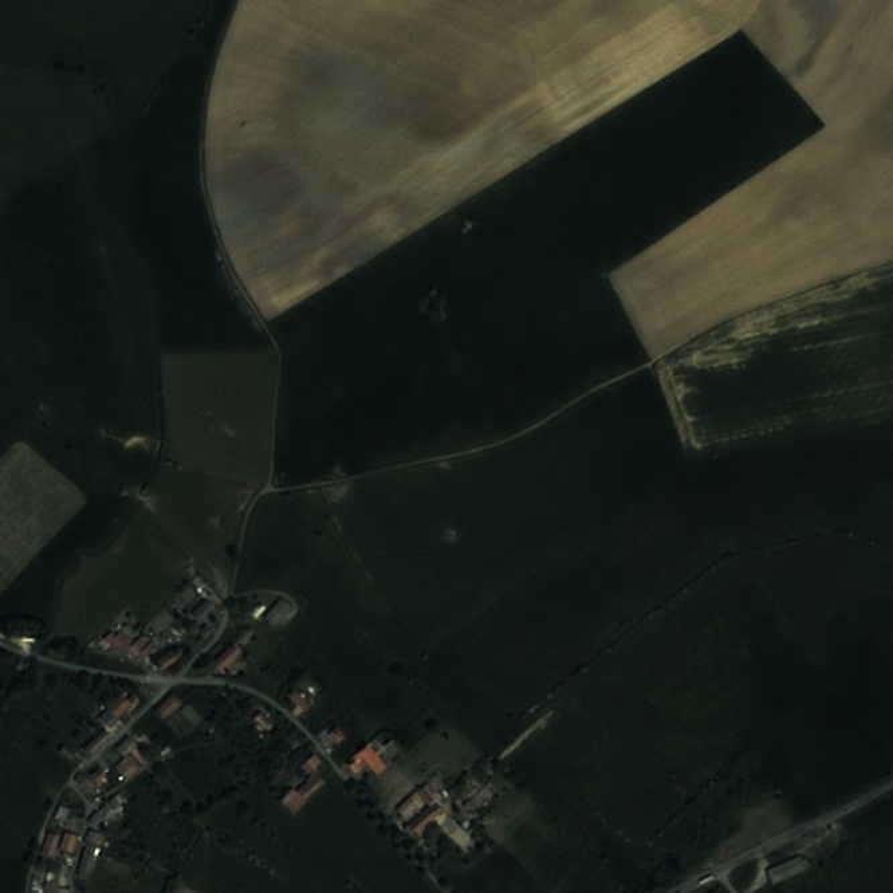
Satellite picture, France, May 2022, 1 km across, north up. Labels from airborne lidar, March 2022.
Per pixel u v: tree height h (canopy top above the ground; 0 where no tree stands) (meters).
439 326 0
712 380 0
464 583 0
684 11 0
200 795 0
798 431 0
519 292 0
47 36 0
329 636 0
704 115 0
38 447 0
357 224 0
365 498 0
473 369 0
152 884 0
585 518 0
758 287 0
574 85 0
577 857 0
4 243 0
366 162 0
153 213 0
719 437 0
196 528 0
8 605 0
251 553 0
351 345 0
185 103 0
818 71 0
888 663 0
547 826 0
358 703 0
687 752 0
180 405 0
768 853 0
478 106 0
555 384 0
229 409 0
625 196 0
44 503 0
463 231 0
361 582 0
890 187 0
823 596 0
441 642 0
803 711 0
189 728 0
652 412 0
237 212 0
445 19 0
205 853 0
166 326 0
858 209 0
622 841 0
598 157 0
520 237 0
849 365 0
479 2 0
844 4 0
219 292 0
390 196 0
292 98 0
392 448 0
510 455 0
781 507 0
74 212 0
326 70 0
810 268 0
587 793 0
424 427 0
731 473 0
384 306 0
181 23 0
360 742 0
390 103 0
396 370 0
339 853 0
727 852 0
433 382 0
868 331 0
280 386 0
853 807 0
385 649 0
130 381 0
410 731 0
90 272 0
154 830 0
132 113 0
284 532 0
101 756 0
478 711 0
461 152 0
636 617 0
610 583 0
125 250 0
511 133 0
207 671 13
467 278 0
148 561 0
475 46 0
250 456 0
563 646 0
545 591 0
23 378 0
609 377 0
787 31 0
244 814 13
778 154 0
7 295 0
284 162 0
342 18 0
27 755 0
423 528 0
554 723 0
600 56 0
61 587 0
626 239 0
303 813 0
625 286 0
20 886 0
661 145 0
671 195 0
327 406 0
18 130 0
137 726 0
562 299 0
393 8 0
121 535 0
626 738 0
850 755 0
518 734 0
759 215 0
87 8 0
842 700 0
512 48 0
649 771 0
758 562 0
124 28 0
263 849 0
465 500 0
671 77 0
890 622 0
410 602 0
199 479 0
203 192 0
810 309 0
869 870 0
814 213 0
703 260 0
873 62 0
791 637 0
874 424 0
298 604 0
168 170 0
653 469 0
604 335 0
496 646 0
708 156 0
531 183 0
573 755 0
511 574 0
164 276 0
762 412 0
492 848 6
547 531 0
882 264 0
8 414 0
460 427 0
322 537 6
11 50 0
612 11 0
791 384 0
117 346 0
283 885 0
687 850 0
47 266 0
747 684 0
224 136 0
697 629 0
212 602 0
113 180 0
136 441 0
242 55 0
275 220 0
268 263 0
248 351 0
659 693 0
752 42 0
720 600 0
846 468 0
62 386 0
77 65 0
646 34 0
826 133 0
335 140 0
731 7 0
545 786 0
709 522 0
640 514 0
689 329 0
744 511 0
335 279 0
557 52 0
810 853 0
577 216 0
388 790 0
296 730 6
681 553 0
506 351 0
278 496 0
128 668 0
